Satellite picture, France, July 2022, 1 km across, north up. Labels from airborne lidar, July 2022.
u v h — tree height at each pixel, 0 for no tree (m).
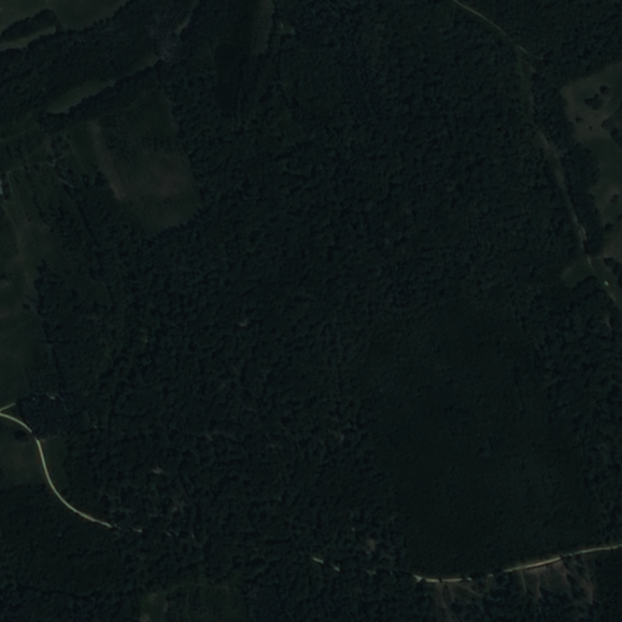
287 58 21
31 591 21
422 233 24
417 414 10
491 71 19
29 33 19
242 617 0
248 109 24
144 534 10
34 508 16
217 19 22
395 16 23
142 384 21
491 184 17
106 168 0
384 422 13
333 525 23
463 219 14
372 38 20
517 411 12
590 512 13
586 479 10
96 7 0
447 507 8
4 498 10
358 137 17
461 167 22
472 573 7
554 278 19
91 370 18
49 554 10
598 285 11
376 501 28
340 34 23
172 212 0
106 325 18
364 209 28
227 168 22
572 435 22
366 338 19
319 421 21
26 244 0
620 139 17
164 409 23
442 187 25
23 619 28
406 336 11
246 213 21
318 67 20
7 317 0
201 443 25
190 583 21
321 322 15
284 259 15
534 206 19
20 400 0
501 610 31
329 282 22
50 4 0
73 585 18
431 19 21
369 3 22
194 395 18
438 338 12
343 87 17
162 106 0
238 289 24
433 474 11
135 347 28
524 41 16
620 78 0
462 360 12
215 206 24
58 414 22
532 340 18
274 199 24
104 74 22
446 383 10
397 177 23
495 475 9
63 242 7
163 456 25
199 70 20
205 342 20
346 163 26
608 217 0
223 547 24
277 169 25
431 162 25
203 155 19
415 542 10
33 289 0
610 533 18
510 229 20
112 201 21
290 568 20
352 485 24
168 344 24
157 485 25
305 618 22
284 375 22
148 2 19
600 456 27
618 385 29
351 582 21
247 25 14
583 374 17
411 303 27
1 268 0
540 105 19
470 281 17
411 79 22
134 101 20
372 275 18
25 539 10
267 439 26
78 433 15
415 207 22
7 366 0
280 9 15
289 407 12
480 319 9
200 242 22
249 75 16
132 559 24
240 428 20
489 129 25
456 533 11
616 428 22
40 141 9
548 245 18
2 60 22
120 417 24
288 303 24
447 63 19
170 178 0
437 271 20
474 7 23
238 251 25
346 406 17
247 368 25
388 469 11
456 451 10
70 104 0
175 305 21
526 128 13
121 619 28
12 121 29
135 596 18
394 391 11
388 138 25
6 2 0
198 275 19
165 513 25
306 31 25
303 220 23
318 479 19
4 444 0
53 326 18
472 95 19
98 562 18
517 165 18
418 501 12
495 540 9
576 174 16
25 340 0
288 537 21
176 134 0
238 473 24
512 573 6
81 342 18
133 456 17
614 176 0
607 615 11
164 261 19
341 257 18
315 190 23
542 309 20
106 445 26
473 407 12
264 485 23
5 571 18
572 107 0
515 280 17
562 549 12
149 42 22
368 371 13
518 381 20
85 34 17
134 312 12
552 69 17
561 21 20
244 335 22
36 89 22
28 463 0
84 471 18
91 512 10
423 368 12
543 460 10
